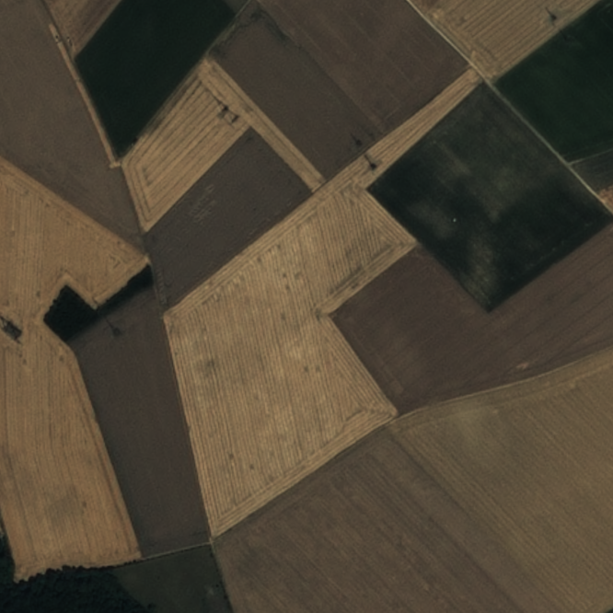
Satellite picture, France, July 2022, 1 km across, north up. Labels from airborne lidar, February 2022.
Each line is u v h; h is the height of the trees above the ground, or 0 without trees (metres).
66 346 0
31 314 0
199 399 0
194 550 0
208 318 0
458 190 0
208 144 0
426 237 0
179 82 0
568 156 0
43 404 0
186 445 0
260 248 0
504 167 0
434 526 0
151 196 0
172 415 0
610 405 0
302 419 0
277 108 0
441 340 0
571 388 0
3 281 0
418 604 0
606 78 0
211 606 0
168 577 0
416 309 0
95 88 0
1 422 0
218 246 0
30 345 0
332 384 0
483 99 0
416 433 0
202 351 0
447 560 0
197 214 0
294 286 0
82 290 0
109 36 0
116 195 0
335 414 0
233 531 0
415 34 0
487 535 0
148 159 0
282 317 0
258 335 0
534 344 0
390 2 0
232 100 0
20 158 0
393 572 0
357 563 0
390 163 0
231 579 0
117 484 0
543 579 0
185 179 0
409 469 0
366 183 0
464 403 0
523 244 0
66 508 0
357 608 0
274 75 0
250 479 0
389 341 0
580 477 0
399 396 0
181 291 0
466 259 0
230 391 0
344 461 0
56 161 0
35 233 0
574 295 0
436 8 0
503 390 0
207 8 0
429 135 0
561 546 0
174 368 0
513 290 0
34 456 0
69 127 0
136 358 0
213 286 0
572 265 0
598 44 0
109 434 0
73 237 0
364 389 0
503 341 0
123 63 0
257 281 0
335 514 0
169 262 0
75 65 0
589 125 0
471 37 0
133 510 0
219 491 0
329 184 0
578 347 0
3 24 0
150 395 0
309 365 0
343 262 0
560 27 0
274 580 0
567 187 0
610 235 0
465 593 0
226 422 0
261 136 0
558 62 0
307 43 0
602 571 0
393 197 0
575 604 0
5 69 0
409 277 0
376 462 0
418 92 0
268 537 0
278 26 0
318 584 0
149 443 0
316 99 0
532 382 0
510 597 0
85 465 0
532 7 0
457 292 0
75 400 0
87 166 0
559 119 0
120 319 0
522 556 0
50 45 0
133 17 0
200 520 0
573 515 0
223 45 0
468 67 0
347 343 0
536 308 0
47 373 0
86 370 0
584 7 0
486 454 0
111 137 0
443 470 0
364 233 0
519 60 0
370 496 0
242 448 0
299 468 0
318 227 0
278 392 0
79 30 0
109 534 0
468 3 0
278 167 0
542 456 0
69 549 0
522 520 0
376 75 0
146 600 0
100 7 0
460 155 0
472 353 0
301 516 0
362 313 0
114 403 0
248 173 0
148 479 0
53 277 0
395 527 0
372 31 0
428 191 0
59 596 21
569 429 0
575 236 0
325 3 0
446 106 0
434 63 0
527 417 0
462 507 0
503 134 0
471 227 0
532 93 0
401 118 0
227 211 0
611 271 0
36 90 0
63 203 0
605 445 0
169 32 0
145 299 0
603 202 0
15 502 0
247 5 0
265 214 0
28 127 0
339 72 0
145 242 0
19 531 0
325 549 0
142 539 0
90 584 23
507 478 0
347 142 0
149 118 0
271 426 0
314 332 0
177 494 0
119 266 0
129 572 0
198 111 0
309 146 0
